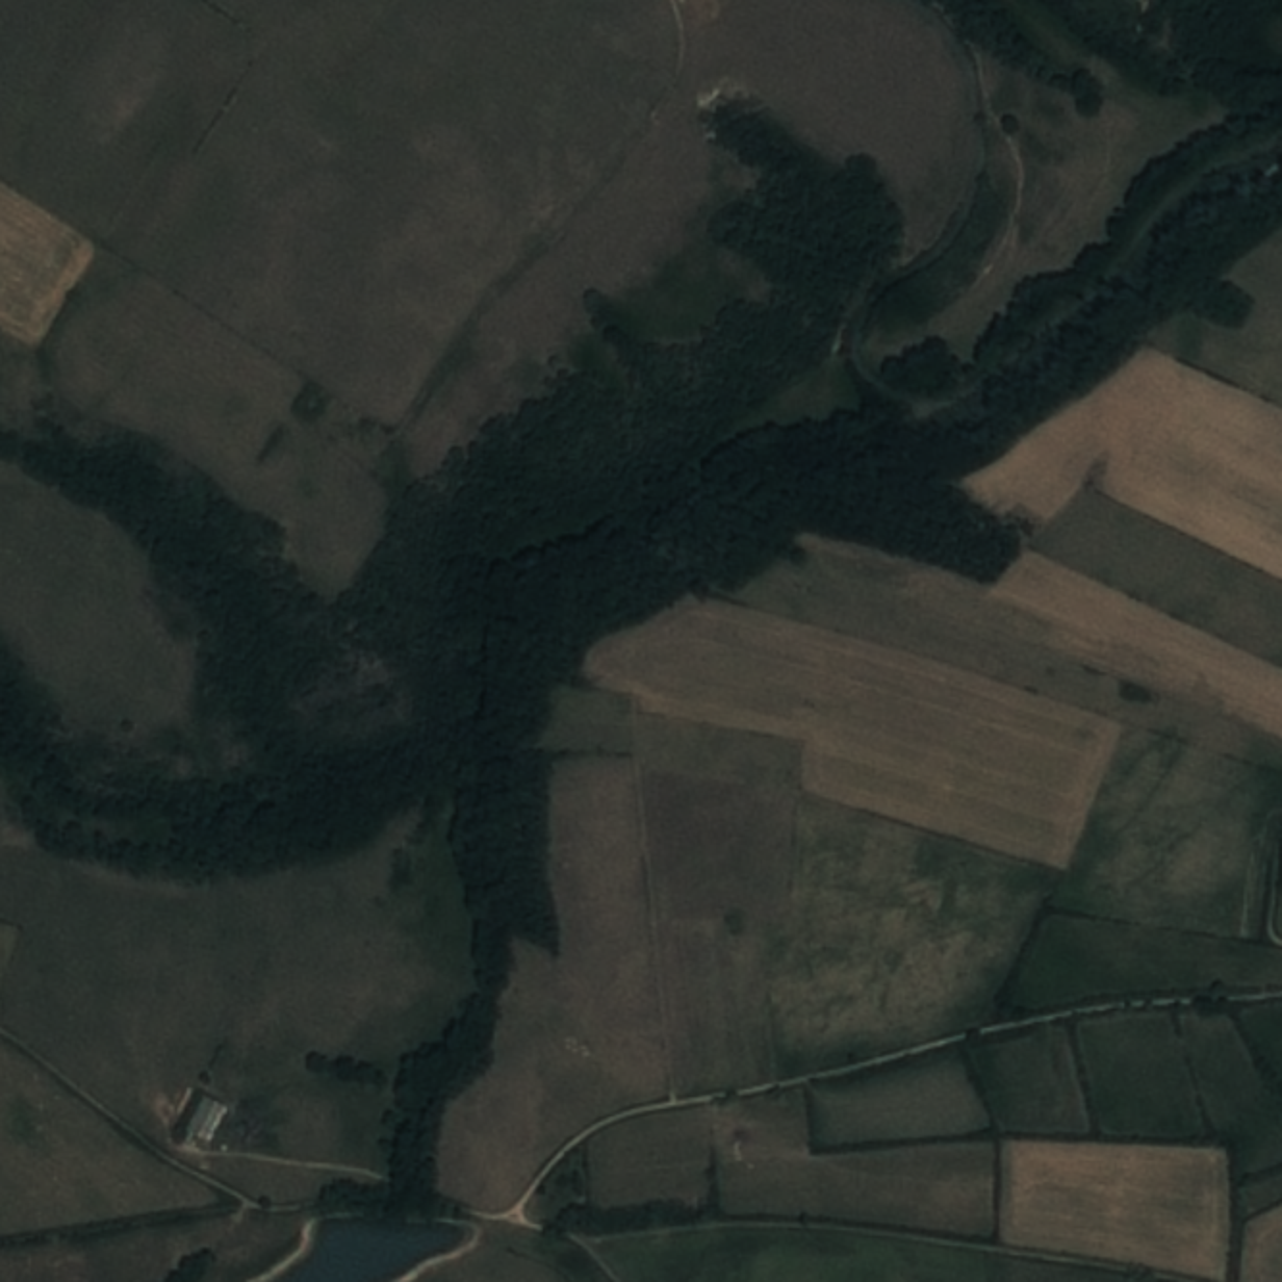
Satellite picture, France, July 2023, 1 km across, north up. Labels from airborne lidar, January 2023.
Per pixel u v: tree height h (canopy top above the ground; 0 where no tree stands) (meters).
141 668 0
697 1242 0
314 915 0
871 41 0
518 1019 0
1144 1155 0
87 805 16
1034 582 0
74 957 0
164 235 0
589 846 0
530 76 0
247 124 0
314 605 10
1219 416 0
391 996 0
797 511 20
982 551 11
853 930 0
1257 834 0
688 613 0
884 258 16
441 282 0
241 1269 0
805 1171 0
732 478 23
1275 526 0
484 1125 0
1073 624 0
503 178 0
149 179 0
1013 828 0
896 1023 0
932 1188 0
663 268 0
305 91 0
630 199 0
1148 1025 0
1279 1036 0
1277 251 0
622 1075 0
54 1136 0
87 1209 0
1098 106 14
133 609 0
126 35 0
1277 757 0
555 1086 0
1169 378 0
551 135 0
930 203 0
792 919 0
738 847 0
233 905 0
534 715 11
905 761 0
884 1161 0
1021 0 0
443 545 15
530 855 14
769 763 0
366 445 0
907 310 10
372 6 0
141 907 0
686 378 10
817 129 0
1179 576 0
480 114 0
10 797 0
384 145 0
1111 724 0
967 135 0
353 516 0
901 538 13
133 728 8
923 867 0
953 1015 0
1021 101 0
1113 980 0
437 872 0
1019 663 0
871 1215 0
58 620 0
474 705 24
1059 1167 0
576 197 0
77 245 0
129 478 12
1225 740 0
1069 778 0
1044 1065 0
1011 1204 0
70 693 0
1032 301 20
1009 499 0
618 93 0
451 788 15
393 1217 13
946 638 0
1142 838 0
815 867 0
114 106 0
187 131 0
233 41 0
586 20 0
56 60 0
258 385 0
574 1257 0
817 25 0
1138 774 0
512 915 11
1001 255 0
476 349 0
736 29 0
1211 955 0
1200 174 22
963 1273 0
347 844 14
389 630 11
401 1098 16
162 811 19
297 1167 0
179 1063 0
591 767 0
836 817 0
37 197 0
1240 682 0
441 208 0
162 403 0
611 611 14
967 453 8
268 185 0
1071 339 15
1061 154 0
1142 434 0
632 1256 0
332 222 0
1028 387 13
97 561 0
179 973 0
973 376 14
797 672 0
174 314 0
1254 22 17
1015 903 0
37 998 0
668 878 0
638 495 20
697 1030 0
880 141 0
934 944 0
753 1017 0
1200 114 0
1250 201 18
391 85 0
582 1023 0
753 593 0
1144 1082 0
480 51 0
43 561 0
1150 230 26
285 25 0
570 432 13
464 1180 0
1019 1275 0
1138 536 0
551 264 0
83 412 0
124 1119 0
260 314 0
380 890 0
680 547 22
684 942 0
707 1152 0
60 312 0
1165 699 0
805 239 14
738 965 0
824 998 0
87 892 0
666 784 0
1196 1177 0
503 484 17
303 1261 0
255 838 21
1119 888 0
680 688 0
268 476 0
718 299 0
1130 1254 0
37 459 8
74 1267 0
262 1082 0
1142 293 18
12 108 0
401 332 0
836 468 15
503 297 0
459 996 0
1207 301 7
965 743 0
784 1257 0
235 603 20
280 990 0
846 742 0
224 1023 0
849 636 0
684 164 0
